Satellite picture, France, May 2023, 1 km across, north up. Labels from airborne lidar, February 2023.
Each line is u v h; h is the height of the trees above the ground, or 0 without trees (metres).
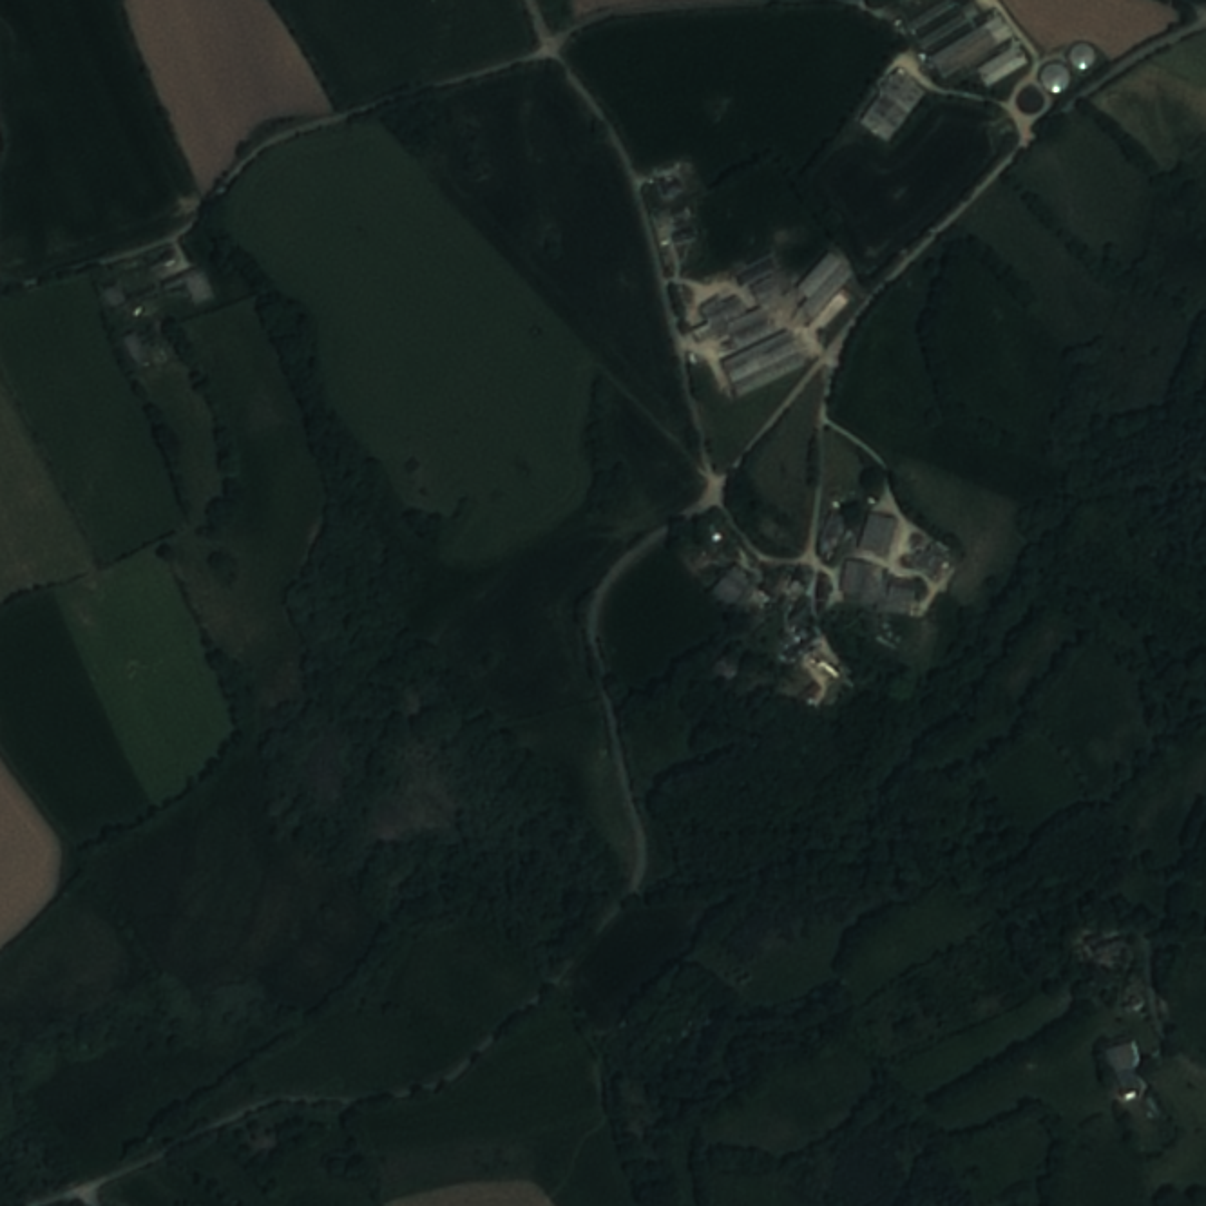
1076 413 12
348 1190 0
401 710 7
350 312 0
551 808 8
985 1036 0
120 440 0
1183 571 16
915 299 0
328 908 6
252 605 0
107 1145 0
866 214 0
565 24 0
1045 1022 0
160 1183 0
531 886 15
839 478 0
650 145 0
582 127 0
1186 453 21
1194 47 0
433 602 0
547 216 0
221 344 0
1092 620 10
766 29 0
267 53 0
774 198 0
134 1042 6
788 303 0
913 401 0
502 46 0
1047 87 0
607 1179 0
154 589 0
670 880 8
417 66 0
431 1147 0
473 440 0
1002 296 0
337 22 0
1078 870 16
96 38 0
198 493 0
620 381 0
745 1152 11
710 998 14
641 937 0
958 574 0
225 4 0
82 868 6
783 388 0
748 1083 16
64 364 0
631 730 10
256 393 0
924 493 0
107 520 0
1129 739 0
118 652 0
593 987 0
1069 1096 0
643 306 0
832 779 8
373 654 11
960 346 0
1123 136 9
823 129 0
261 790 0
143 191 0
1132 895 0
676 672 14
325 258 0
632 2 0
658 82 0
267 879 0
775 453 0
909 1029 10
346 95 0
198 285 0
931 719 10
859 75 0
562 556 0
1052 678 6
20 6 0
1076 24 0
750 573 7
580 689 0
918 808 23
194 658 0
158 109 8
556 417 0
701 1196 14
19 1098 8
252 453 0
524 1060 0
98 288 6
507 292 0
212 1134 9
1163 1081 0
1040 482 0
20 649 0
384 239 0
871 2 13
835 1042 17
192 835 0
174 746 0
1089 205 0
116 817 0
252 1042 0
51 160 0
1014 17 0
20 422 0
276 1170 9
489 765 8
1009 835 19
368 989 9
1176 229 0
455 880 16
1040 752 0
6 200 0
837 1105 0
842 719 6
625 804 17
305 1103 8
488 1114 0
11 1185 12
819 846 9
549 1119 0
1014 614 16
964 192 7
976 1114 0
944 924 0
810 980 0
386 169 0
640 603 0
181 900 0
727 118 0
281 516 0
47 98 0
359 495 8
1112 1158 0
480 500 0
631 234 0
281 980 0
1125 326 0
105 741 0
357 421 0
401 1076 0
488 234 0
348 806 6
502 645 0
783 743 20
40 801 0
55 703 0
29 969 0
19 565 0
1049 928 16
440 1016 0
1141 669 13
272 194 0
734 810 20
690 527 10
